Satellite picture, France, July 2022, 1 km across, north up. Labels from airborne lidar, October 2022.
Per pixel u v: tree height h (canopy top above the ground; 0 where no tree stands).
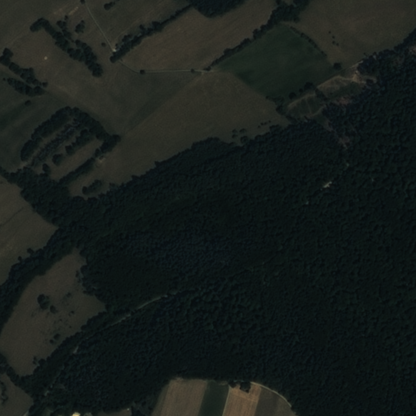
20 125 0
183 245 29
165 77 0
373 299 26
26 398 0
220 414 0
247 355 10
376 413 18
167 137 0
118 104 0
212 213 15
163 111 0
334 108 20
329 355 25
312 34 0
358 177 25
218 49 0
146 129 0
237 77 0
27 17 0
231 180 13
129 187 16
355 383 13
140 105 0
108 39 0
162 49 0
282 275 8
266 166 19
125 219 16
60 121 21
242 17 0
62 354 14
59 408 19
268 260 13
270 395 0
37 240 0
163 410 0
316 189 17
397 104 28
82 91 0
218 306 25
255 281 10
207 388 0
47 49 0
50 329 0
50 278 0
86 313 0
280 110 14
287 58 0
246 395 0
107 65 0
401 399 15
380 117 19
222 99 0
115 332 9
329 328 15
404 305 24
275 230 26
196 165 17
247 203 23
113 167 0
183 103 0
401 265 24
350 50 0
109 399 17
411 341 27
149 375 15
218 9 22
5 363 16
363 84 0
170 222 24
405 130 28
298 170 22
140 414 14
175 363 13
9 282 9
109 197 17
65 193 19
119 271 12
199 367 16
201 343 17
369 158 29
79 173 16
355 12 0
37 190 24
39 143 12
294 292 14
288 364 21
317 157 22
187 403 0
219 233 11
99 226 21
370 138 23
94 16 0
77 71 0
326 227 24
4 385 11
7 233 0
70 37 12
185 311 26
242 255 21
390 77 23
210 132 0
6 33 0
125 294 9
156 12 0
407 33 0
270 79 0
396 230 25
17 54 0
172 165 13
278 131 14
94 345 21
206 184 13
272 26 16
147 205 21
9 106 0
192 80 0
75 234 25
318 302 18
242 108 0
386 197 28
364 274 23
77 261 0
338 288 28
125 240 24
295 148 23
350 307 27
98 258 6
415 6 0
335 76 0
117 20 0
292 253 22
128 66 0
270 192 24
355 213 25
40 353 0
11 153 0
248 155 27
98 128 23
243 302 25
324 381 14
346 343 20
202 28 0
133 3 0
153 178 20
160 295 6
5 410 0
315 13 0
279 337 13
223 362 18
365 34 0
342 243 24
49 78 0
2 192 0
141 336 9
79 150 0
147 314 7
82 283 10
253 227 16
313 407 13
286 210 21
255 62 0
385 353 21
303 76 0
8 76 0
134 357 8
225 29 0
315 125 20
